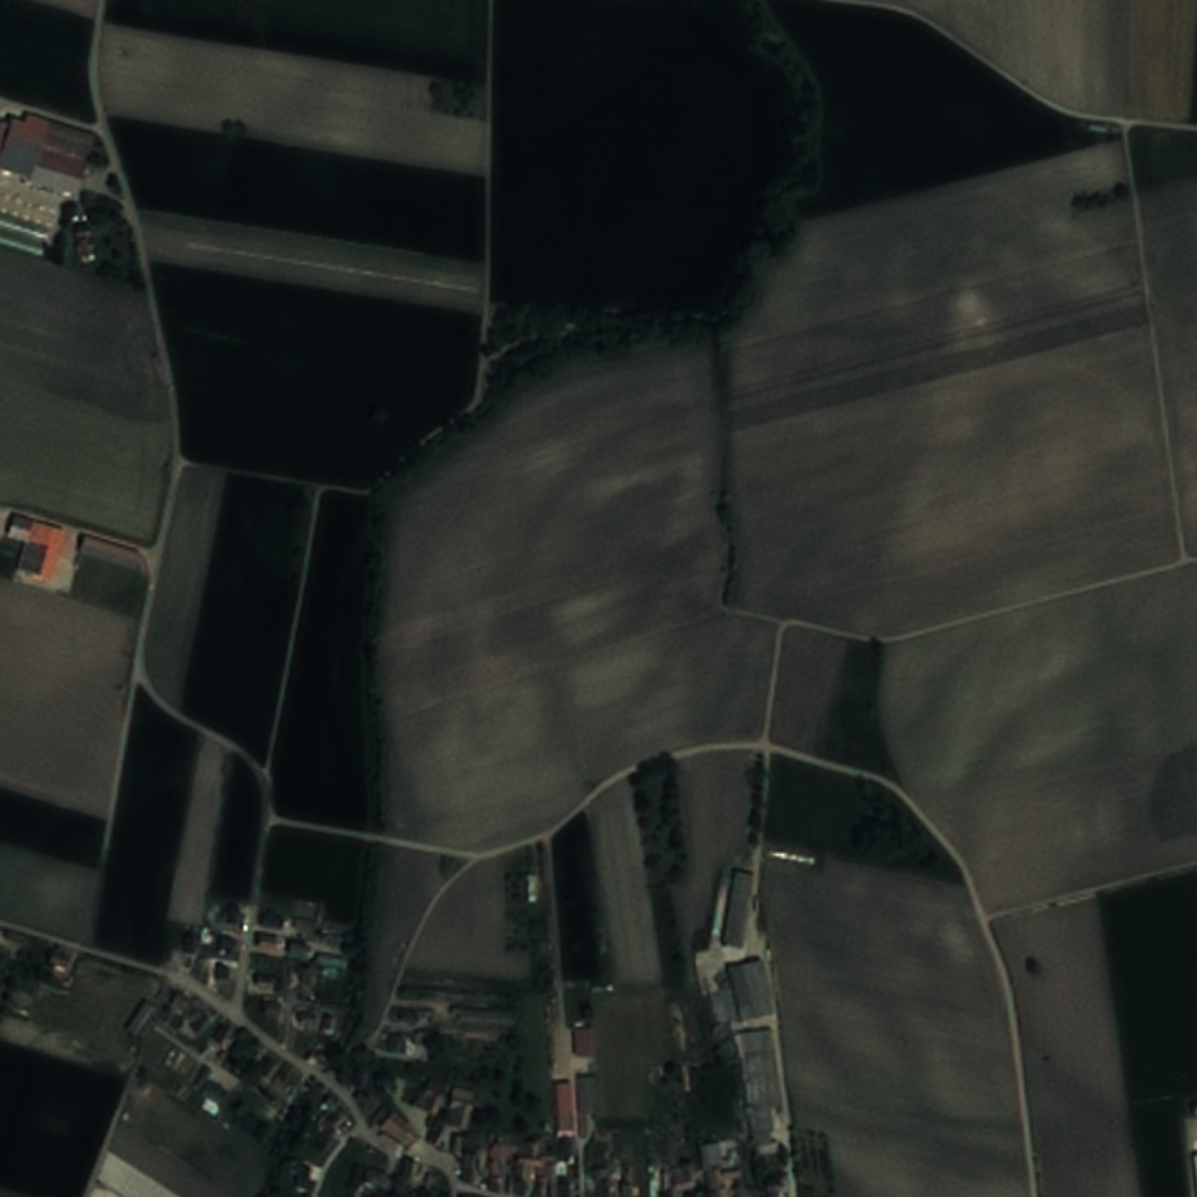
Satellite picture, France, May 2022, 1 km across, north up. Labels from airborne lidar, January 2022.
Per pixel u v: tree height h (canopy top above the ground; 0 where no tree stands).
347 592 0
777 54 10
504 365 7
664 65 0
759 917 0
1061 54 0
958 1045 0
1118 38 0
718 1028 0
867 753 0
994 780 0
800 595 0
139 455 0
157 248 0
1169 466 0
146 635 0
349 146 0
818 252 0
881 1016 0
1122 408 0
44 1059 0
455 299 0
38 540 0
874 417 0
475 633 0
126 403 0
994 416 0
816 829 0
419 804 0
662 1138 0
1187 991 0
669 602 0
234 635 0
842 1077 0
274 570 0
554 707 0
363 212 0
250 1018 0
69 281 0
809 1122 0
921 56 0
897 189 0
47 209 0
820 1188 0
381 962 0
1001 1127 0
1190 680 0
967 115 0
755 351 0
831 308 0
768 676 0
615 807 0
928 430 0
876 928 0
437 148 0
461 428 17
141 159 0
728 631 0
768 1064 0
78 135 0
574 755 0
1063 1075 0
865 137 0
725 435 0
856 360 0
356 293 0
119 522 0
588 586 0
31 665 0
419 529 0
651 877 0
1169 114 0
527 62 0
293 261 0
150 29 0
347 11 0
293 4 0
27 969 11
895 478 0
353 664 0
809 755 0
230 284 0
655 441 0
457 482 0
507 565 0
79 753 0
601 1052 0
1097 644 0
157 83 0
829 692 0
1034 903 0
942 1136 0
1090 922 0
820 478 0
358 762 0
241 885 0
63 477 0
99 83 0
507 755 0
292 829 0
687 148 0
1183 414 0
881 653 11
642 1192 0
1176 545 0
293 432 0
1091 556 0
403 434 0
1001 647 0
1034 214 0
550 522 0
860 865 0
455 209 0
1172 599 0
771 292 0
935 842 0
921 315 0
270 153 0
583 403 0
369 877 5
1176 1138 0
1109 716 0
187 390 0
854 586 0
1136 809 0
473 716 0
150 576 0
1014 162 0
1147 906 0
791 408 0
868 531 0
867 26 0
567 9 0
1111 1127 0
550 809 0
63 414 0
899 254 0
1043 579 0
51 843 0
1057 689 0
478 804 0
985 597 0
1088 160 0
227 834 0
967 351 0
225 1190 0
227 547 0
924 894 0
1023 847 0
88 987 0
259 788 0
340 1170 0
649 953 0
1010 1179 0
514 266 0
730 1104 0
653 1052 0
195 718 0
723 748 0
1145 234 0
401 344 0
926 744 0
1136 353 0
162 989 0
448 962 0
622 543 0
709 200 0
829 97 0
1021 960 0
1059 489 0
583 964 0
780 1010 0
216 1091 0
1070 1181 0
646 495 0
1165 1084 0
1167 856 0
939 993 0
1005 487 0
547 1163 0
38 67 0
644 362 0
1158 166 0
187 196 0
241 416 0
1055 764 0
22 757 0
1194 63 0
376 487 15
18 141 0
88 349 0
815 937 0
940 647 0
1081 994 0
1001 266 0
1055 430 0
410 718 0
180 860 0
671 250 0
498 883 0
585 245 0
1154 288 0
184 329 0
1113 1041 0
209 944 0
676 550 0
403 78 0
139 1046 0
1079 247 0
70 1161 0
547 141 0
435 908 0
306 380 0
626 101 0
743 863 0
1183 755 0
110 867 0
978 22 0
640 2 0
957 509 0
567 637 0
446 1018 0
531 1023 0
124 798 0
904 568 0
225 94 0
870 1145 0
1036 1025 0
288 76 0
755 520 0
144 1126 0
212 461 0
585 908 0
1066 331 0
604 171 0
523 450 0
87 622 0
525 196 0
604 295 0
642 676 0
